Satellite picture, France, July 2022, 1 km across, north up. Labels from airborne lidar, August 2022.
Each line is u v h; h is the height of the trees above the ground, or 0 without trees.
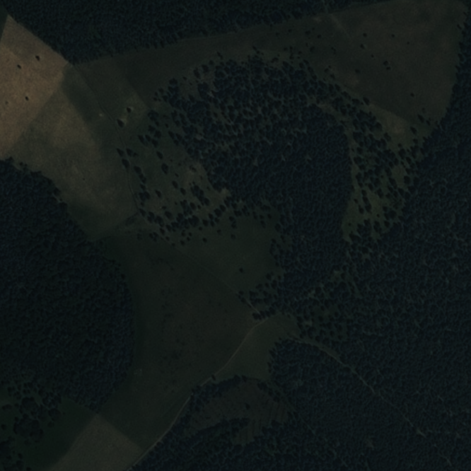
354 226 0
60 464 0
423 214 11
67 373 14
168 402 0
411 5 0
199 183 0
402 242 16
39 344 16
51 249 26
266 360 0
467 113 26
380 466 22
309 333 14
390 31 0
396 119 0
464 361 21
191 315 0
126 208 0
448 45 0
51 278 25
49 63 0
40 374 23
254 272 0
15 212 25
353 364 11
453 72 0
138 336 0
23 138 0
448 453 15
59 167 0
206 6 24
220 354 0
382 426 16
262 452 25
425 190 15
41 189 24
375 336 14
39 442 11
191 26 10
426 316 19
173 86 11
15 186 16
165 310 0
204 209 0
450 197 18
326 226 19
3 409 12
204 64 0
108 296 21
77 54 28
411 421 14
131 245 0
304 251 18
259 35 0
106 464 0
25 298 18
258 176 15
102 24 25
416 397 18
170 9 20
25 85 0
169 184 0
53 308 20
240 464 26
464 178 18
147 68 0
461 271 16
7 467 18
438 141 27
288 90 17
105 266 16
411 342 18
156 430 0
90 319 20
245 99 20
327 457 25
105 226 0
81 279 22
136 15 29
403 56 0
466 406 17
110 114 0
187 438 7
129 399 0
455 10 0
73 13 19
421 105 0
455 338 19
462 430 18
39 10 25
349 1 14
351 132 0
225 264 0
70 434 0
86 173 0
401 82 0
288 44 0
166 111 0
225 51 0
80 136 0
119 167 0
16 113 0
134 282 0
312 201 26
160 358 0
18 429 20
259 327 0
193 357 0
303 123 14
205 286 0
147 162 0
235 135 16
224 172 24
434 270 17
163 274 0
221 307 0
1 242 28
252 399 0
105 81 0
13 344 22
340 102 9
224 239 0
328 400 19
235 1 10
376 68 0
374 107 0
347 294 18
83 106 0
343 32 0
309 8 27
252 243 0
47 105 0
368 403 20
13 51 0
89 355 26
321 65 0
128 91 0
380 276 17
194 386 0
